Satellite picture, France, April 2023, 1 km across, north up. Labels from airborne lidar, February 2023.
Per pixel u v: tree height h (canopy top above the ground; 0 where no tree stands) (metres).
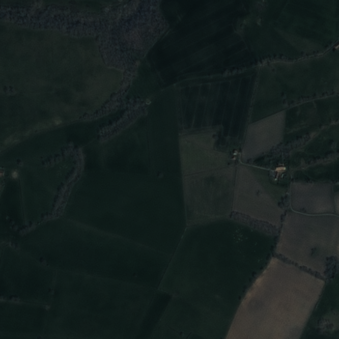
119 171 0
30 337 0
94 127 0
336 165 0
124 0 0
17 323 0
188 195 0
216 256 0
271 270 0
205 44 0
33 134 0
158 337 0
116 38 18
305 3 0
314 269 0
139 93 0
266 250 0
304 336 0
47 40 0
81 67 0
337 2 0
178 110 0
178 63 0
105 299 0
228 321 0
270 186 0
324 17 0
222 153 0
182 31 0
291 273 0
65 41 0
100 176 0
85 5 0
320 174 0
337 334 0
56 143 0
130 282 0
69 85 0
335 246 0
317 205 0
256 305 0
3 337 0
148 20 15
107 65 7
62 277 0
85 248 0
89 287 0
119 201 0
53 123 0
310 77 0
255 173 0
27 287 0
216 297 0
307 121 0
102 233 0
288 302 0
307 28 0
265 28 0
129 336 0
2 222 0
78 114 0
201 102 0
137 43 11
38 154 0
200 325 0
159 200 0
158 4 15
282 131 0
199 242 0
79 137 0
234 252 0
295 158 0
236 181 0
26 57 0
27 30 0
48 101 0
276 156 11
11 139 0
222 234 0
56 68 0
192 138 0
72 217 0
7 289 0
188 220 0
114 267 0
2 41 0
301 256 0
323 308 0
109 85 0
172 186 0
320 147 0
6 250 0
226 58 0
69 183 18
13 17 22
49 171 0
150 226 0
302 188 0
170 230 0
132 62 19
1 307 0
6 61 0
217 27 0
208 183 0
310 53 0
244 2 0
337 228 0
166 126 0
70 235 0
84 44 0
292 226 0
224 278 0
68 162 0
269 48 0
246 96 0
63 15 8
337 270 22
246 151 0
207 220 0
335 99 0
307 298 0
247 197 0
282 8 0
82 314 0
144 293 0
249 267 0
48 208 0
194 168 0
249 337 0
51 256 0
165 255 0
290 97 0
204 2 0
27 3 0
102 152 0
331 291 0
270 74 0
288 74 0
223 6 0
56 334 0
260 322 0
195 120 0
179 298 0
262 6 0
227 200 0
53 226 0
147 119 0
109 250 0
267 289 0
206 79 0
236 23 0
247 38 0
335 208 0
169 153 0
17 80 0
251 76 0
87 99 0
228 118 0
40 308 0
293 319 0
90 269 0
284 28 0
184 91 0
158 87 0
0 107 0
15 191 0
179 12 0
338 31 0
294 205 0
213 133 0
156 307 0
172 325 0
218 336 0
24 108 0
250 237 0
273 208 0
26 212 0
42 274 0
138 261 0
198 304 0
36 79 0
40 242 0
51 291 14
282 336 0
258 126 0
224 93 0
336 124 0
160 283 0
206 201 0
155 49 0
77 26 13
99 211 0
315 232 0
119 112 0
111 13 16
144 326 0
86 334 0
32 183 0
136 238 0
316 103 0
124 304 0
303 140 18
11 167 0
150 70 0
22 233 17
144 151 0
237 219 14
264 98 0
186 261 0
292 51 0
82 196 0
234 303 0
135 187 0
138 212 0
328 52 0
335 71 0
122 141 0
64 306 0
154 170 0
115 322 0
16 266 0
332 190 0
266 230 15
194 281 0
